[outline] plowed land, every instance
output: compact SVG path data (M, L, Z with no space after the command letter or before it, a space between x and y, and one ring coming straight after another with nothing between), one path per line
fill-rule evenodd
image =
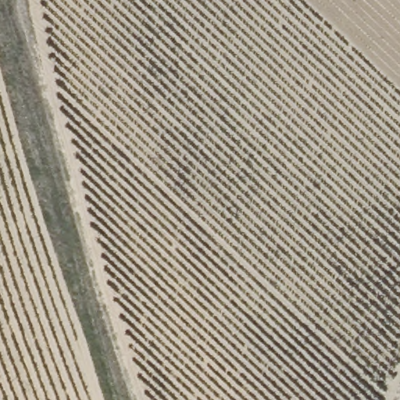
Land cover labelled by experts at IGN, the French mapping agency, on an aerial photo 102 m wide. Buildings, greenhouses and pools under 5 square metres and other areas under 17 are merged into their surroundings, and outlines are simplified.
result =
M102 258L103 248L97 244L97 231L91 228L92 216L87 212L89 203L84 200L86 189L83 187L83 175L80 173L81 162L75 158L77 147L72 144L73 134L66 128L67 117L59 109L61 102L56 97L59 86L56 84L56 73L53 70L55 61L48 58L52 47L47 45L47 22L42 17L44 6L41 6L41 0L16 0L14 11L17 14L17 22L30 52L34 72L39 78L42 97L53 114L53 141L56 150L61 150L64 155L69 170L67 194L83 242L87 269L94 281L95 297L100 303L106 331L111 337L112 347L131 400L150 400L145 395L145 384L137 378L139 367L134 364L133 352L128 348L131 339L125 334L127 323L120 320L122 308L114 302L114 291L108 286L109 275L105 272L105 259Z
M395 366L397 377L386 380L384 400L400 400L400 364Z

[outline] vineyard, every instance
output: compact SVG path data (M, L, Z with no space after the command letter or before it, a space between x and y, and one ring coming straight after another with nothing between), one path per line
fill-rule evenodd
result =
M87 212L92 216L91 228L97 231L97 244L103 248L102 258L105 259L105 272L109 275L108 286L114 291L114 302L122 308L120 320L127 323L125 334L131 339L128 348L133 352L134 364L139 367L137 378L145 384L145 395L150 400L384 400L386 380L397 377L395 366L400 364L400 0L41 0L41 6L44 6L42 17L47 22L47 45L52 47L48 58L55 61L53 70L56 73L56 84L59 86L56 97L61 102L59 109L67 117L66 128L73 134L72 144L77 147L75 158L81 162L80 173L83 175L83 187L86 189L84 200L89 203Z
M42 216L27 159L23 155L6 83L0 83L0 400L114 400L109 369L103 359L102 345L95 336L89 312L78 319L66 280L59 267L52 237Z

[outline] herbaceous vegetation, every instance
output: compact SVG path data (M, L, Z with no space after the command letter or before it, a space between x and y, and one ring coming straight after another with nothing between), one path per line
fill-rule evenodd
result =
M42 97L39 78L34 72L30 52L17 22L17 14L14 11L16 0L0 0L0 83L6 83L23 155L27 159L42 216L52 237L59 267L66 280L78 319L89 312L95 336L102 345L103 359L109 369L114 400L131 400L112 347L111 337L106 331L100 303L95 297L94 281L87 269L83 242L67 194L69 170L64 155L61 150L56 150L53 141L53 114Z

